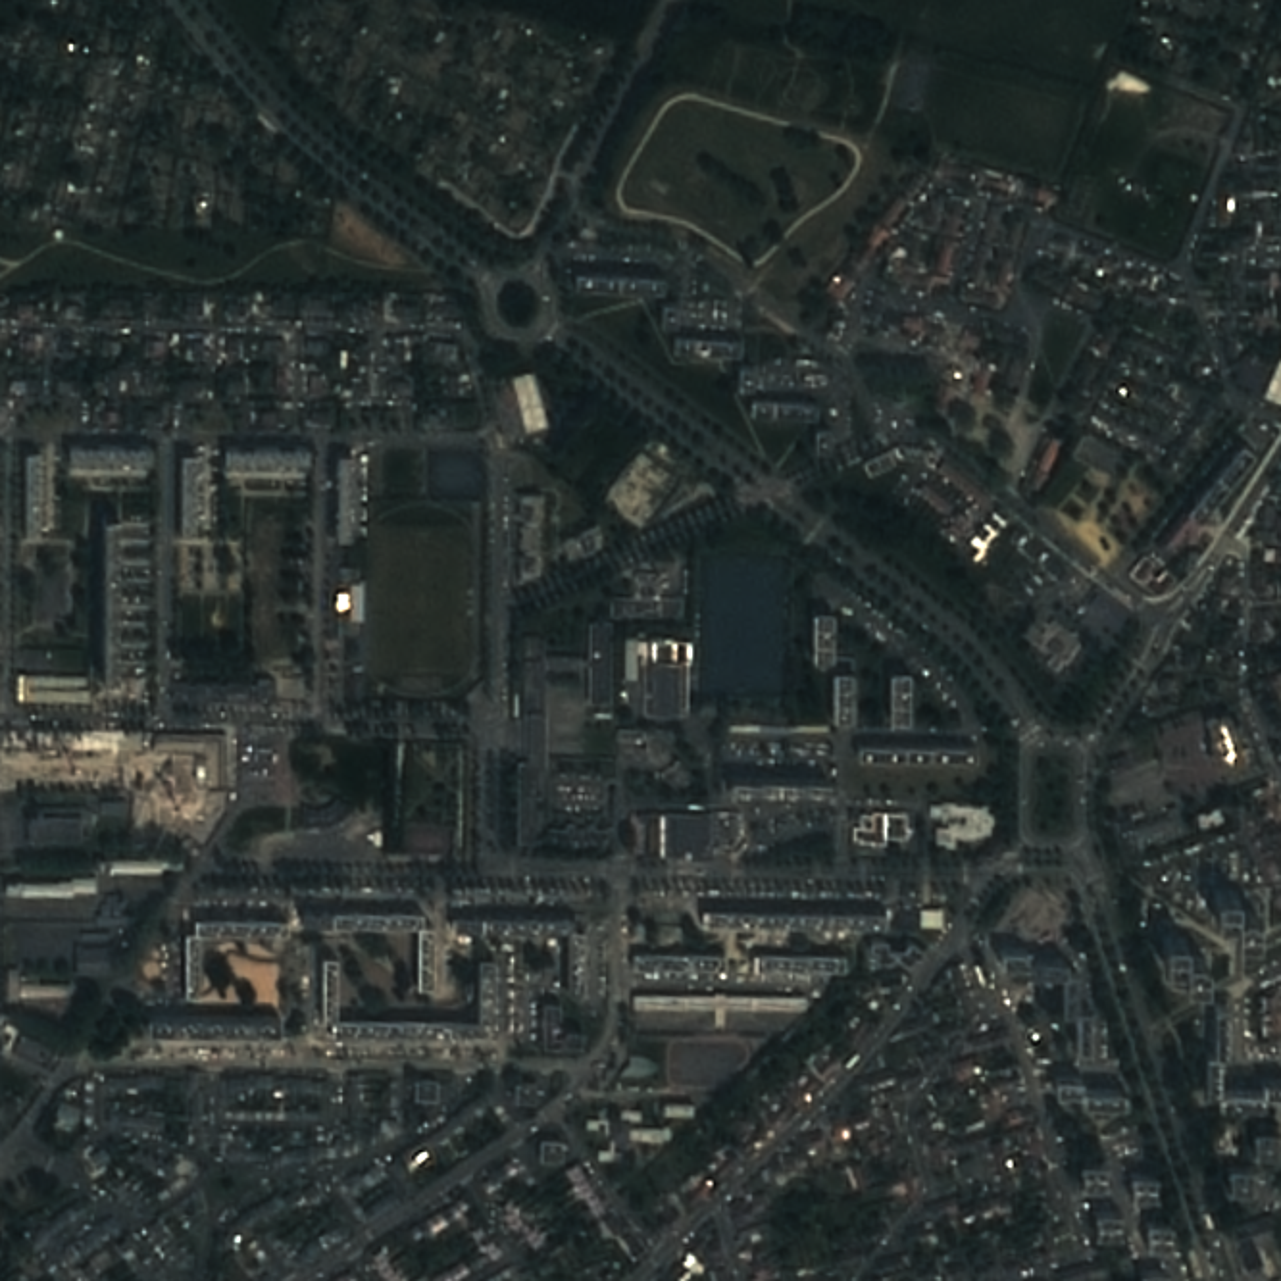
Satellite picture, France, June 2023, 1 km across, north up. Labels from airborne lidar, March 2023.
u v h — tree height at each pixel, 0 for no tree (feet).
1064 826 0
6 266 0
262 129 26
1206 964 0
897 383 35
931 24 0
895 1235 0
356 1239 0
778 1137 0
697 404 0
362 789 0
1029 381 0
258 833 0
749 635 0
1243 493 0
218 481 33
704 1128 20
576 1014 0
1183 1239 40
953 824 0
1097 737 0
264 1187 0
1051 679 25
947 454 39
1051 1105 49
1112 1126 0
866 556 0
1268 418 0
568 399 24
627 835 38
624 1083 0
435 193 21
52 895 0
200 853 0
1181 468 0
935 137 0
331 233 0
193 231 36
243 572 0
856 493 35
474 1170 0
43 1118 27
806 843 32
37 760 0
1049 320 0
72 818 0
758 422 0
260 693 0
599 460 0
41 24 33
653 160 0
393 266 0
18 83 25
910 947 0
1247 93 36
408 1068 31
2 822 0
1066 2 0
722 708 34
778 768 0
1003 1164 0
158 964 0
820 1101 0
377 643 0
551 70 0
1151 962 64
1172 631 0
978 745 0
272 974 0
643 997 0
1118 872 0
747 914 0
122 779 0
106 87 0
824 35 32
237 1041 0
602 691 0
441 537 0
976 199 0
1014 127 0
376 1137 0
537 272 0
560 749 0
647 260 0
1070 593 0
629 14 51
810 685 35
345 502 0
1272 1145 0
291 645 0
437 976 0
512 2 48
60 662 0
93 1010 49
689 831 0
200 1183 0
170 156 0
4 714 0
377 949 36
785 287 0
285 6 25
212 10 34
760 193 30
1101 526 0
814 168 0
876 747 0
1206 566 0
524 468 0
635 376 0
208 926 0
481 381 25
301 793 0
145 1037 0
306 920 0
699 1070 0
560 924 0
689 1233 0
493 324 0
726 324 0
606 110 29
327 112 19
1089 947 33
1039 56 0
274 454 0
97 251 0
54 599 0
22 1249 20
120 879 0
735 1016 0
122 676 0
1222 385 35
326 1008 0
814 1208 25
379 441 0
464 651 0
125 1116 0
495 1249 0
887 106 0
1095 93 29
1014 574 0
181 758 0
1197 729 0
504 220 0
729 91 0
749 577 0
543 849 23
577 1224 32
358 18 17
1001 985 0
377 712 27
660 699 0
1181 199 0
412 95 0
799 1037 32
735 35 0
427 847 0
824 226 0
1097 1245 37
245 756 0
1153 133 0
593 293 0
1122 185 0
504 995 0
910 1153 0
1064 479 0
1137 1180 0
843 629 38
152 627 22
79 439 0
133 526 0
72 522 0
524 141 0
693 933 22
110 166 0
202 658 59
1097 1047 0
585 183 26
